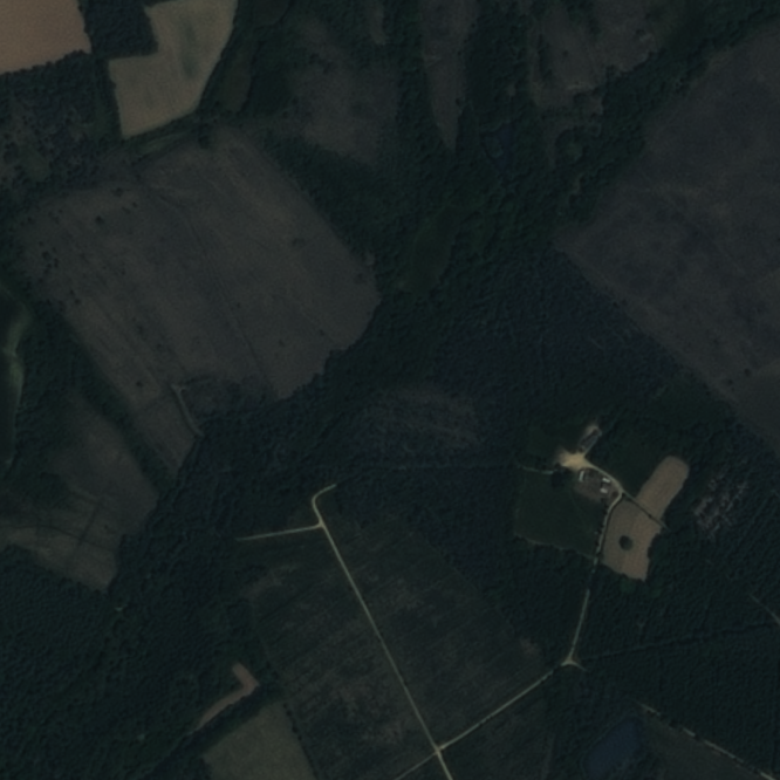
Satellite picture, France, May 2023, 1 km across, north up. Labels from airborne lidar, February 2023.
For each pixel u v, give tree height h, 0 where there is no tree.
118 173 0
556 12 0
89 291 0
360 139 0
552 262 20
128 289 0
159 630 17
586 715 17
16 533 0
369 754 0
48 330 7
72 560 0
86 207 0
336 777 0
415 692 0
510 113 9
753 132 0
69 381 13
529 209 21
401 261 16
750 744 8
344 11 8
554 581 18
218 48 0
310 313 0
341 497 14
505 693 0
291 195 0
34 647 23
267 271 0
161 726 5
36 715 26
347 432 15
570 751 11
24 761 16
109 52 19
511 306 19
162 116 0
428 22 0
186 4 0
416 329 19
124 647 11
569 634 8
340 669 0
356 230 15
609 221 0
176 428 0
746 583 13
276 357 0
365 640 0
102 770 13
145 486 0
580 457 0
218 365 0
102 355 0
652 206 0
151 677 18
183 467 6
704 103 0
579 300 10
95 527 0
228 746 0
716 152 0
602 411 15
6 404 0
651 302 0
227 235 0
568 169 12
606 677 9
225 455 13
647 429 15
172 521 14
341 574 0
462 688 0
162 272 0
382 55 10
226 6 0
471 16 0
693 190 0
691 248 0
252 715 18
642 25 0
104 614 15
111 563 0
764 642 24
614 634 10
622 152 17
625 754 0
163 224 0
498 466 12
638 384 18
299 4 14
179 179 0
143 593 16
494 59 12
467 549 19
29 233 0
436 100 0
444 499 15
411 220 15
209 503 10
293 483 18
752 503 11
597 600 12
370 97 0
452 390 14
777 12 12
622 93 15
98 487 0
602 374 14
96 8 17
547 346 16
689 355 0
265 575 10
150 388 0
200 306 0
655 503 0
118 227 0
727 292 0
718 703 9
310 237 0
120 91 0
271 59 11
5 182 8
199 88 0
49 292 0
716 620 15
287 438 24
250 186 0
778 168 0
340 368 16
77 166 8
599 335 16
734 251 0
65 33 0
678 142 0
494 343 18
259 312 0
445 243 0
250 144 0
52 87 12
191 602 20
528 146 12
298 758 0
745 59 0
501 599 16
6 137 10
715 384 0
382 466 13
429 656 0
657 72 16
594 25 9
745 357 0
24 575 21
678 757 0
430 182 18
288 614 0
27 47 0
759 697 14
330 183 15
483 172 20
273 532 20
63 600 24
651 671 11
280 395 0
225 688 9
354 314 0
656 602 12
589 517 0
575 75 0
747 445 23
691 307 0
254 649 18
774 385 0
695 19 0
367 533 0
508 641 0
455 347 17
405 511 17
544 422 13
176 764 19
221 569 14
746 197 0
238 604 9
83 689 9
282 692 18
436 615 0
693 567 9
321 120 0
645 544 0
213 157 0
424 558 0
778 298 0
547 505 0
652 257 0
